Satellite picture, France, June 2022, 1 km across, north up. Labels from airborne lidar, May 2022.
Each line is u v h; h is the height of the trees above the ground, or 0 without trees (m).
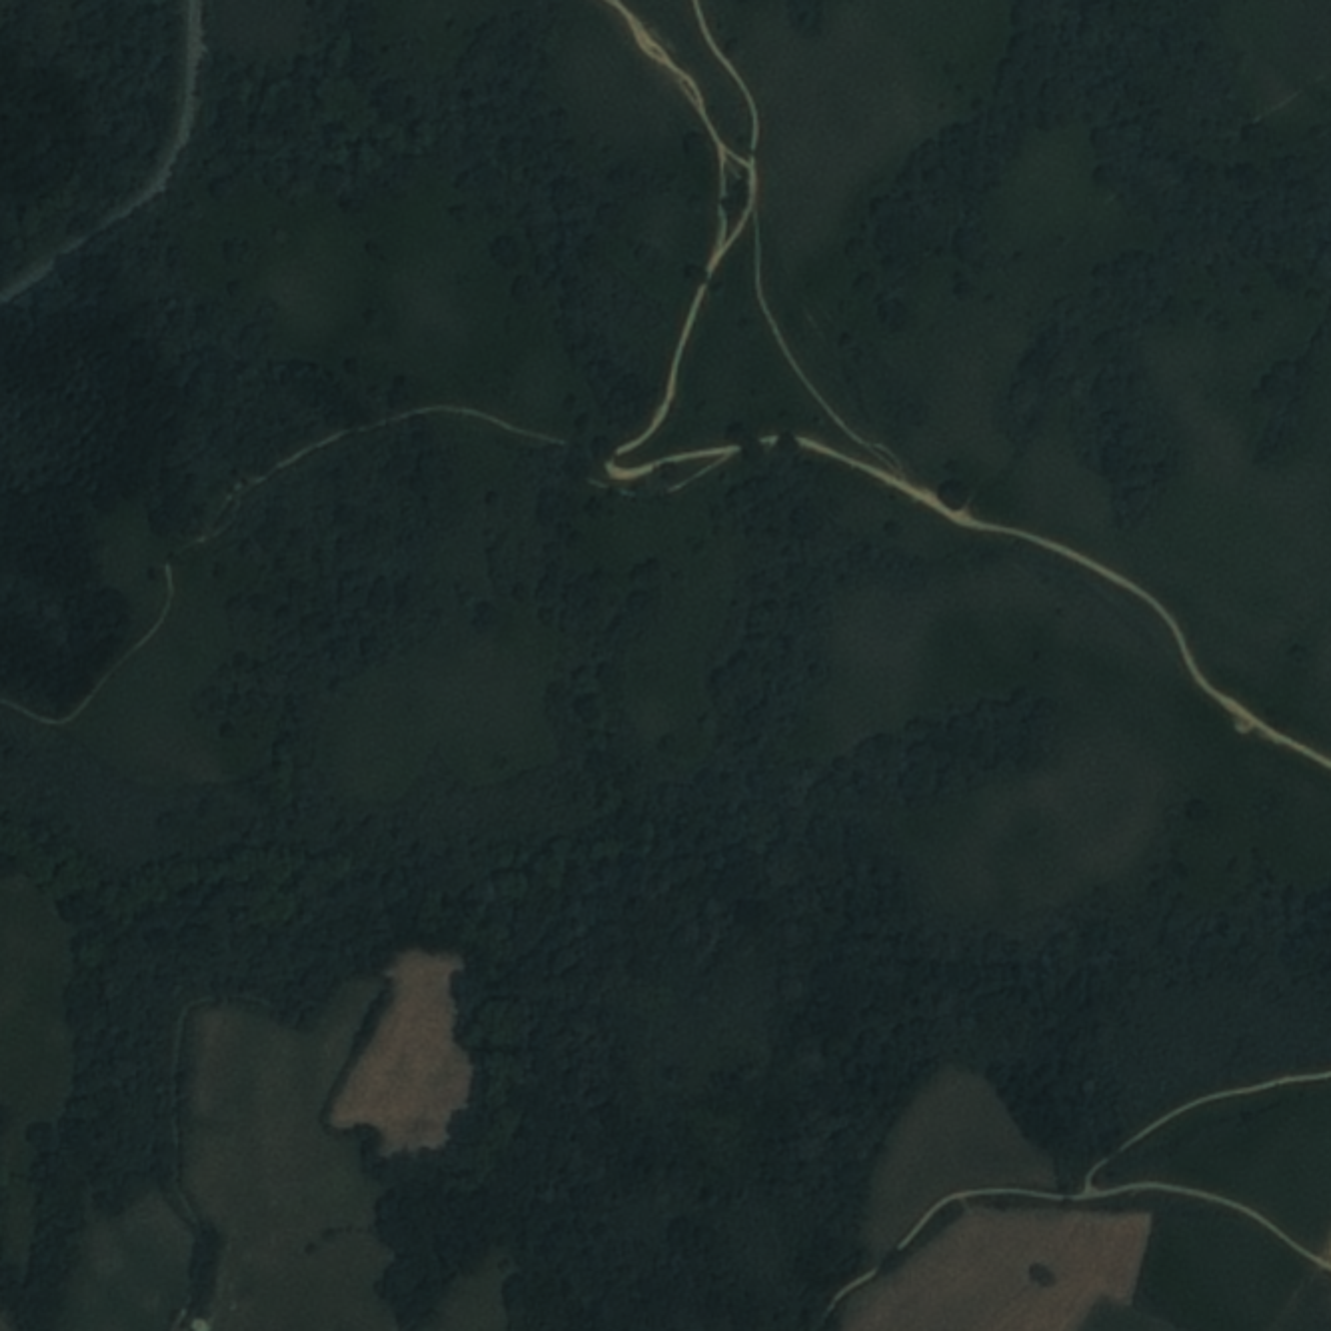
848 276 0
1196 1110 0
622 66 0
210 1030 0
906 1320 0
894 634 0
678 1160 9
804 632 11
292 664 16
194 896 19
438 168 10
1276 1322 0
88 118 13
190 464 10
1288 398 7
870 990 22
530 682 0
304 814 13
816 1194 14
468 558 0
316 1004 8
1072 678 0
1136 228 0
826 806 7
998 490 0
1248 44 0
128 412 12
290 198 7
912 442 0
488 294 0
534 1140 22
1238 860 6
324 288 0
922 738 14
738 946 7
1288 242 17
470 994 27
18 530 14
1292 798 0
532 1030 9
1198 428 0
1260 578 0
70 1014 10
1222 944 12
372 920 18
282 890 17
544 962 10
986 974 13
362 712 0
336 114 32
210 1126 0
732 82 0
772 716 16
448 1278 6
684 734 0
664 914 8
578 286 15
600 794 10
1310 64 0
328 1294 0
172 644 0
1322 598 0
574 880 28
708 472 0
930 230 19
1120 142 12
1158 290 15
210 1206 0
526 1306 24
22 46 10
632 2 0
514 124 15
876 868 23
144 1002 6
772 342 0
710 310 0
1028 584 0
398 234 0
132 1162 6
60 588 13
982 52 0
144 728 0
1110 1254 0
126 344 8
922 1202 0
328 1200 0
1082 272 0
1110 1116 6
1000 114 12
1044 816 0
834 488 0
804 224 0
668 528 0
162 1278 0
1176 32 6
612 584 9
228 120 28
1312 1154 0
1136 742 0
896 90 0
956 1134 0
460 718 0
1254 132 13
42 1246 9
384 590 15
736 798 25
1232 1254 0
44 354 21
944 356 0
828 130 0
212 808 15
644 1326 20
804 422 0
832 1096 24
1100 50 13
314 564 7
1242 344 0
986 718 15
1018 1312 0
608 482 0
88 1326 0
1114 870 0
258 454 7
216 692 10
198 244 0
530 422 0
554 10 7
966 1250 0
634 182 8
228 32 0
